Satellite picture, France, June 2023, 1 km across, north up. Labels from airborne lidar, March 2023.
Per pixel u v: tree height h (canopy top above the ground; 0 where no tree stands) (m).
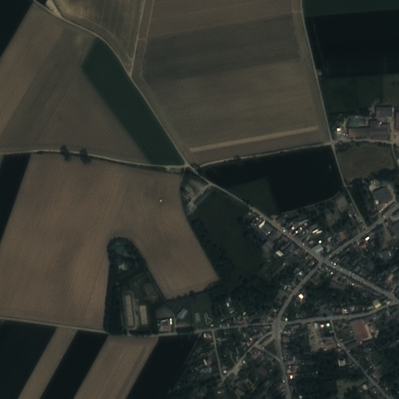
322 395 7
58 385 0
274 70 0
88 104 0
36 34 0
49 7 0
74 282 0
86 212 0
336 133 0
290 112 0
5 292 0
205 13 0
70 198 0
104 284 0
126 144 0
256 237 14
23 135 0
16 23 0
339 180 0
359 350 0
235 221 0
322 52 0
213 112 0
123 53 0
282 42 0
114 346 0
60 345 0
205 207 0
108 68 0
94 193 0
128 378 0
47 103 0
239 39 0
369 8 0
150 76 0
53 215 0
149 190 0
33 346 0
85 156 28
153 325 0
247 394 12
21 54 0
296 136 0
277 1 0
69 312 0
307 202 0
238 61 0
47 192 0
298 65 0
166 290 0
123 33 0
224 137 0
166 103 0
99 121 0
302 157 0
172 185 0
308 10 0
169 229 0
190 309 0
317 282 0
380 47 0
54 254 0
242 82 0
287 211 0
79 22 0
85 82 0
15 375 0
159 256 0
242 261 0
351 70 0
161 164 0
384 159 0
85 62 0
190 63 0
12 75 0
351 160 0
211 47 0
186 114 0
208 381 10
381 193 0
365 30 0
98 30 0
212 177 0
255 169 0
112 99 0
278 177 0
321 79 0
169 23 0
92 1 0
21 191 0
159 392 0
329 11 0
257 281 7
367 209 8
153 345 0
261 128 0
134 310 0
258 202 0
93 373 0
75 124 0
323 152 0
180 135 0
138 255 7
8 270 0
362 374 13
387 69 0
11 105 0
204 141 0
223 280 7
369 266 0
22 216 0
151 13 0
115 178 0
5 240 0
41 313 0
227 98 0
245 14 0
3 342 0
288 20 0
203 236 10
